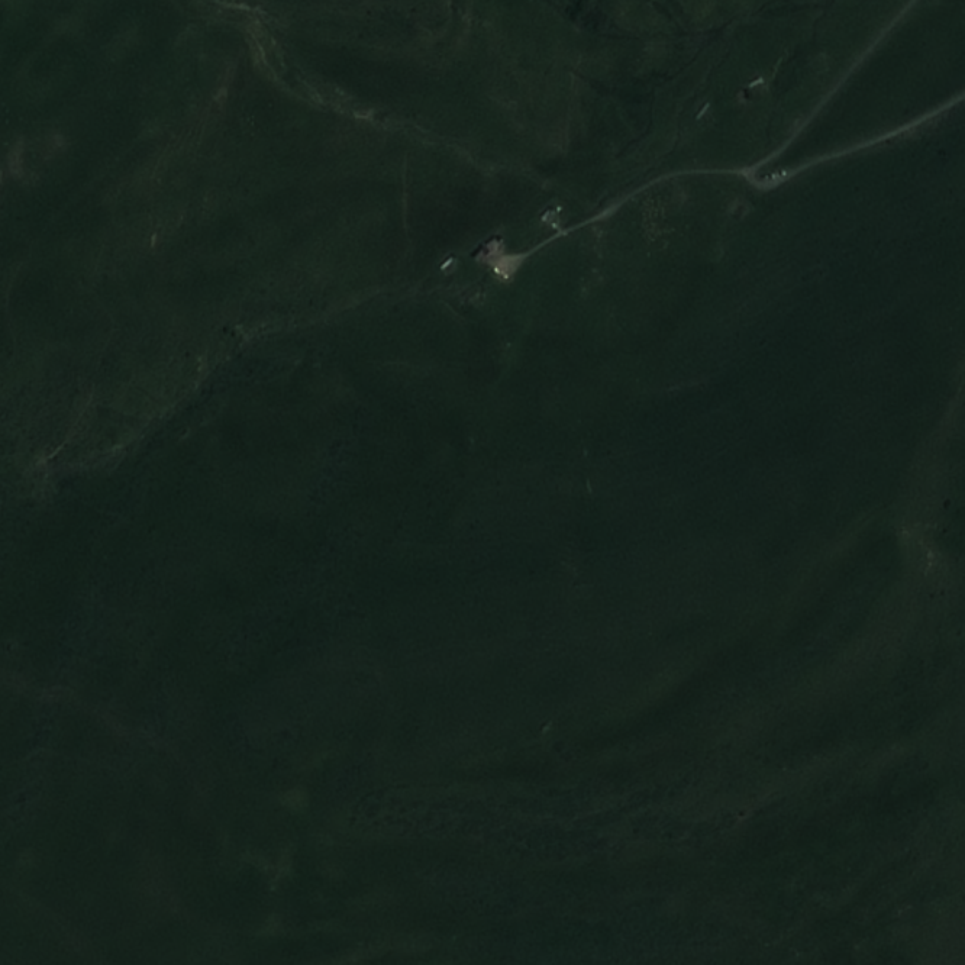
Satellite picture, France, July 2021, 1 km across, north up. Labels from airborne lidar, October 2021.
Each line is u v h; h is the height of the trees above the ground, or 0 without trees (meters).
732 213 0
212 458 0
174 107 0
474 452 0
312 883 0
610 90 0
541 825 0
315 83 0
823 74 0
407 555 0
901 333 0
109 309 0
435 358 0
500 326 0
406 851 0
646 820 0
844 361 0
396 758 0
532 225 0
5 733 0
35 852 0
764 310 0
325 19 0
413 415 0
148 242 0
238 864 0
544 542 0
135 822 0
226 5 0
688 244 0
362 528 0
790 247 0
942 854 0
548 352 0
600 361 0
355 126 0
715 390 0
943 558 0
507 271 0
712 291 0
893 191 0
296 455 0
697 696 0
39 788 0
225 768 0
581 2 7
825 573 0
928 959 0
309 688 0
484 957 0
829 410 0
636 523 0
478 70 0
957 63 0
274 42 0
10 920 0
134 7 0
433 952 0
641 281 0
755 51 0
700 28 0
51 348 0
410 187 0
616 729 0
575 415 0
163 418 0
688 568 0
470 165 0
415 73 0
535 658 0
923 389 0
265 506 0
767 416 0
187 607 0
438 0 0
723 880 0
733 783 0
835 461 0
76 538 0
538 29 0
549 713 0
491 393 0
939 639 0
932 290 0
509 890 0
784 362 0
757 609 0
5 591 0
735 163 0
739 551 0
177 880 0
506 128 0
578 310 0
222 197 0
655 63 0
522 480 0
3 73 0
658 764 0
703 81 0
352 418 0
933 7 0
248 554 0
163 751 0
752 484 0
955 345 0
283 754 0
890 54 0
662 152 0
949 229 0
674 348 0
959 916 0
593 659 0
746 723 0
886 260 0
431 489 0
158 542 0
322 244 0
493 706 0
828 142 0
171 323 0
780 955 0
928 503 0
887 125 0
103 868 0
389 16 0
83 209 0
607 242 0
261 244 0
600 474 0
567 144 0
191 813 0
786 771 0
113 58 0
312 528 0
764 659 0
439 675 0
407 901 0
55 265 0
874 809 0
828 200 0
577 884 0
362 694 0
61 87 0
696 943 0
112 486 0
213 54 0
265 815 0
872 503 0
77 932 0
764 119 0
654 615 0
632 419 0
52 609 0
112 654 0
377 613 0
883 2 0
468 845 0
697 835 0
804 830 0
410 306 0
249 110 0
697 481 0
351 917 0
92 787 0
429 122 0
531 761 0
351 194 0
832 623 0
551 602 0
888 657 0
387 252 0
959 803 0
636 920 0
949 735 0
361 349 0
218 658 0
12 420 0
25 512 0
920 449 0
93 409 0
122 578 0
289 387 0
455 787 0
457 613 0
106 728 0
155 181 0
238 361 0
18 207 0
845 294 0
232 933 0
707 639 0
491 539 0
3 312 0
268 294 0
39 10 0
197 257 0
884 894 0
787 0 0
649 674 0
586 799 0
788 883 0
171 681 0
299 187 0
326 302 0
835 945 0
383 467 0
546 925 0
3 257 0
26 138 0
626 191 0
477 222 0
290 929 0
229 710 0
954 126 0
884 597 0
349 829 0
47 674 0
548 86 0
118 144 0
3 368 0
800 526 0
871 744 0
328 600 0
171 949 0
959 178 0
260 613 0
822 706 0
